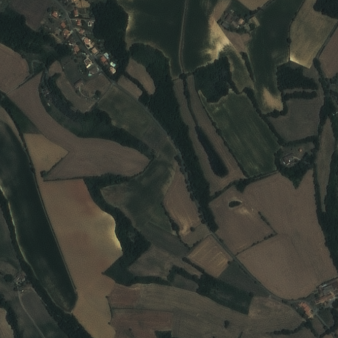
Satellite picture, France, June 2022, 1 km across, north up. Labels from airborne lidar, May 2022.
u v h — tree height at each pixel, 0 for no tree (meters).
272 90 0
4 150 0
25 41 15
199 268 12
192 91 0
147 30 0
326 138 0
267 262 0
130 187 0
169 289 0
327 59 0
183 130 19
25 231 0
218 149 0
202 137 31
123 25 19
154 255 0
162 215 0
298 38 0
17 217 0
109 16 21
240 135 0
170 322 0
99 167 0
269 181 0
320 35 0
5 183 0
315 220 0
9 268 0
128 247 11
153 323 0
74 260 0
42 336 0
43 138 0
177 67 0
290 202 0
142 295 0
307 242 0
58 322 10
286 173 9
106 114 10
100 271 0
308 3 0
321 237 0
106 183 10
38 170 0
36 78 0
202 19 0
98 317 0
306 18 0
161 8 0
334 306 12
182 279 0
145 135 0
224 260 0
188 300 0
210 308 0
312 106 0
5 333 0
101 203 7
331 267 0
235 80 0
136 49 8
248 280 0
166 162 0
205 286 6
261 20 0
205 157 0
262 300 0
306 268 0
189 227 0
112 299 0
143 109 0
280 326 0
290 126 0
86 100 0
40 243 0
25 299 0
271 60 0
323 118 17
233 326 0
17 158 0
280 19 0
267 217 0
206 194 20
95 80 0
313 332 8
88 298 0
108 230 0
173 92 20
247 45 0
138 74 0
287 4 0
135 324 0
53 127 0
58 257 0
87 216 0
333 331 16
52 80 13
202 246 0
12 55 0
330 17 10
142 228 0
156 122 0
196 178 15
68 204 0
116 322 0
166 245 0
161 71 7
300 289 0
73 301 0
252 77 10
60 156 0
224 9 0
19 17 10
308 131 0
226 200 0
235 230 0
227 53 0
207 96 6
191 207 0
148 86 0
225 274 0
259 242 7
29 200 0
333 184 17
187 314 0
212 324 0
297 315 0
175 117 12
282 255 0
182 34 0
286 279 0
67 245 0
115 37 15
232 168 0
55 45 7
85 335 22
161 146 0
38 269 0
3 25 21
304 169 10
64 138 0
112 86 0
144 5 0
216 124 9
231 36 0
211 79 8
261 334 0
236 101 0
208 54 0
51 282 0
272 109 0
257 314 0
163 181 0
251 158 0
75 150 0
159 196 0
